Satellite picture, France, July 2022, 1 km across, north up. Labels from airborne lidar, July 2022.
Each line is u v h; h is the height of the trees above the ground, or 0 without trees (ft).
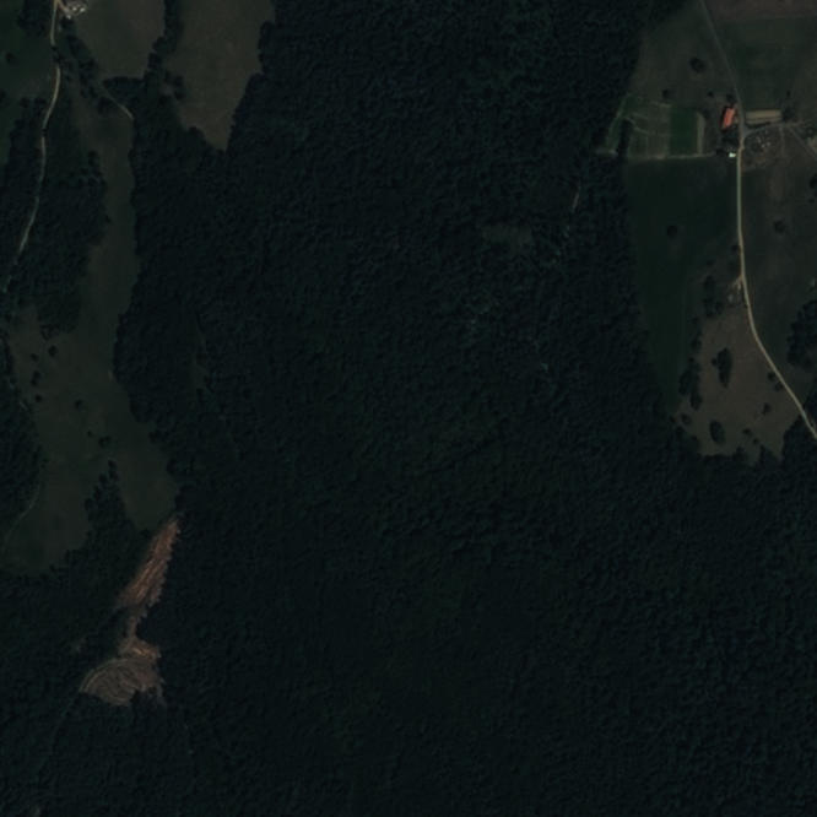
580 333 25
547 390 98
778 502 53
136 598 0
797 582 85
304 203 86
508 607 37
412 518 68
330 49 73
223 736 69
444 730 54
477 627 58
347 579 61
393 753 35
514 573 68
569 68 45
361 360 39
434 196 40
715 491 61
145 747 114
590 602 78
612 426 81
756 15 0
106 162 0
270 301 66
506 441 70
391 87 89
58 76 0
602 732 59
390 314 56
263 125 100
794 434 54
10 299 41
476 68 85
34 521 0
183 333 47
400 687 37
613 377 73
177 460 44
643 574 52
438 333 55
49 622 63
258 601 57
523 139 58
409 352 66
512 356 89
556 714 45
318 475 75
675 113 0
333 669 45
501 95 42
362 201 47
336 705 51
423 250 90
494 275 80
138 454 0
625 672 76
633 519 70
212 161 64
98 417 0
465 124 83
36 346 0
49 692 73
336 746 45
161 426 44
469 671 39
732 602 74
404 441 46
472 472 79
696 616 57
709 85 0
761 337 0
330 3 49
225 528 53
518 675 43
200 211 71
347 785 55
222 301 87
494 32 55
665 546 63
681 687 117
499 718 44
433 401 52
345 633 33
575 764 75
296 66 46
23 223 55
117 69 0
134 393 60
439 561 79
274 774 58
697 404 29
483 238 30
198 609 67
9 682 57
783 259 0
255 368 56
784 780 108
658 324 0
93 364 0
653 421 71
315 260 37
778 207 0
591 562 88
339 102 60
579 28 40
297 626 46
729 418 0
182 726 42
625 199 60
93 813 58
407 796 53
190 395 33
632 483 34
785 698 85
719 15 0
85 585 35
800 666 62
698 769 28
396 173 74
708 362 0
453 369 51
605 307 21
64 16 0
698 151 0
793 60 0
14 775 61
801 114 0
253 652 36
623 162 40
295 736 48
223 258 67
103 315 0
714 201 0
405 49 61
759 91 0
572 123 64
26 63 0
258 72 0
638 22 36
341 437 94
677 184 0
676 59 0
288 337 84
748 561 53
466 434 49
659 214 0
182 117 0
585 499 47
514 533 73
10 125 0
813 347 48
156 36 0
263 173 62
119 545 44
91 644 37
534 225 59
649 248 0
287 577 39
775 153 0
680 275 0
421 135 96
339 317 84
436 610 64
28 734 78
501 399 73
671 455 85
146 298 67
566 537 97
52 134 21
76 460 0
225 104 0
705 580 31
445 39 108
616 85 47
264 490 42
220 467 47
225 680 42
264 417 48
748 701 99
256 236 66
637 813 93
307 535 32
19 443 49
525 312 66
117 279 0
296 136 71
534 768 46
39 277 37
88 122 0
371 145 94
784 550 81
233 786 69
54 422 0
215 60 0
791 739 102
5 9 0
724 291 0
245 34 0
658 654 93
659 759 56
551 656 49
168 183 90
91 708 60
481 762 50
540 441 62
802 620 65
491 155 40
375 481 64
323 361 76
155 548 0
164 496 0
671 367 0
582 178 44
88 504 40
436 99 72
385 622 48
